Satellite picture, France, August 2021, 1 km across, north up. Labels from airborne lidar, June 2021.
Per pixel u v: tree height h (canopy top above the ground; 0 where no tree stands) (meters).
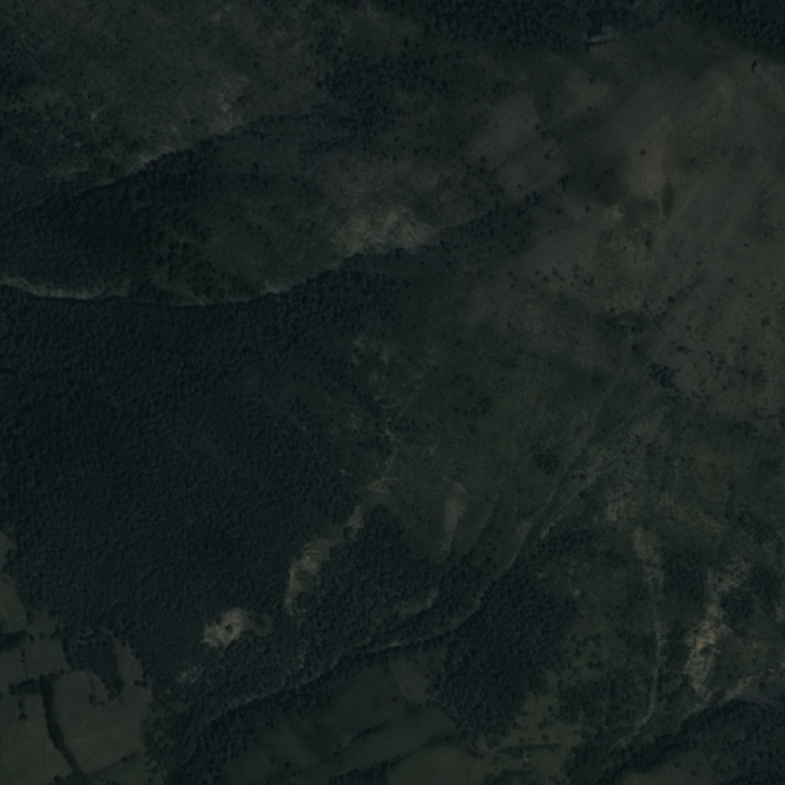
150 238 15
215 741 15
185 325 11
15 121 9
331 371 6
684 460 6
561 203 0
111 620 13
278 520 14
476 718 14
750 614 7
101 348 14
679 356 0
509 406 0
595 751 13
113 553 5
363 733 7
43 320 19
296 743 0
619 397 0
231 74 0
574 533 7
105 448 8
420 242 0
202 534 10
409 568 11
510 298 0
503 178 0
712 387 0
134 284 12
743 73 0
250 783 0
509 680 18
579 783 10
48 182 8
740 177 0
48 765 0
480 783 0
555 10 8
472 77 0
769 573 8
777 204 0
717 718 10
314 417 7
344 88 9
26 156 11
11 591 0
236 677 13
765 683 8
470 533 0
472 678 19
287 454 10
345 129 7
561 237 0
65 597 12
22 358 23
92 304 15
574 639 6
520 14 8
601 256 0
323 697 16
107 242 16
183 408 11
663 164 0
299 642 9
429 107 0
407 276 0
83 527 11
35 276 9
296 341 9
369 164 0
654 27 0
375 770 8
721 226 0
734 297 0
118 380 8
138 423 7
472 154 0
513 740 0
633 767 10
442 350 0
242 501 12
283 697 18
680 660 10
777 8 6
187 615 12
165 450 8
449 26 8
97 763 0
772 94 0
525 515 6
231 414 10
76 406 20
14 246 13
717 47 0
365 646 9
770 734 8
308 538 6
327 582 8
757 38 10
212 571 11
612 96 0
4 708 0
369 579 8
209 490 11
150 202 13
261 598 14
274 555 7
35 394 21
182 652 14
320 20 6
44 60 8
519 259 0
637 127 0
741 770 6
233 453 12
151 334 13
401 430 7
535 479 0
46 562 11
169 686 10
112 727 0
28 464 8
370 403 7
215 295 10
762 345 0
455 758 0
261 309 10
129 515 8
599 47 0
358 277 10
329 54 7
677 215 0
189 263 12
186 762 9
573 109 0
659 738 8
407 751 0
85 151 9
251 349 11
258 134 10
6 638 11
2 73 10
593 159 0
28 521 17
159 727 8
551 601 13
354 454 7
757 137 0
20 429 24
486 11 7
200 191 8
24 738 0
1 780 0
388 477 0
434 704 7
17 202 9
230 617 0
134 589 14
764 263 0
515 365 6
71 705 0
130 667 0
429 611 11
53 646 0
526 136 0
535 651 13
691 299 0
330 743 0
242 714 13
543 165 0
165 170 8
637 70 0
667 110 0
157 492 9
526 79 0
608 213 0
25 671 0
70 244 7
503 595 13
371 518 7
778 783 8
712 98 0
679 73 0
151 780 8
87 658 14
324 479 10
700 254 0
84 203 14
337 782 14
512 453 0
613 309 6
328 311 10
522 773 6
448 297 0
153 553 10
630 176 0
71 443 13
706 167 0
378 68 6
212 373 9
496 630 19
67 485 9
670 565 7
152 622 12
